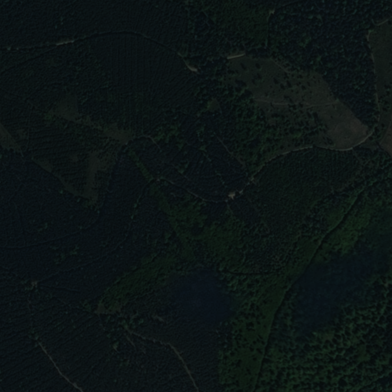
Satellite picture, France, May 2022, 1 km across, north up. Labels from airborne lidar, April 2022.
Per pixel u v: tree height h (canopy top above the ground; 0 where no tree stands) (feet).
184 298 69
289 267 32
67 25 65
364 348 38
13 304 72
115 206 69
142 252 67
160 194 42
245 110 46
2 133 0
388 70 0
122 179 65
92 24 50
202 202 49
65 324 58
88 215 65
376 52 0
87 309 36
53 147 23
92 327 69
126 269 61
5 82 24
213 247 40
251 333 30
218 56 32
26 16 57
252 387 45
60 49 32
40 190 59
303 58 82
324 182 34
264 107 0
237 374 30
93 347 68
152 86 51
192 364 75
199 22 88
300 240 27
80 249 73
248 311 32
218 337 60
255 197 26
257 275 29
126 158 67
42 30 63
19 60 28
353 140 0
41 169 68
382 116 0
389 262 88
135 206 30
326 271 95
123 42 49
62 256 47
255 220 49
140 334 79
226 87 22
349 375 102
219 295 81
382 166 50
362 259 93
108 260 70
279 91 0
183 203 55
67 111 0
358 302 104
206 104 63
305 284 33
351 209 79
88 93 28
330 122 0
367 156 49
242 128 43
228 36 35
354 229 95
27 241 72
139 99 38
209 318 78
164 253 44
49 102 23
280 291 34
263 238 31
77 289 70
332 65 90
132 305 20
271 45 42
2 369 78
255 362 39
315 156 32
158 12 55
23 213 68
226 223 39
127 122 41
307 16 83
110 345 68
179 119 58
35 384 61
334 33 82
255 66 0
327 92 0
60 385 71
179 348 71
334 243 61
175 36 56
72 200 71
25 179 57
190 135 52
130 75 56
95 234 67
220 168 50
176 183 70
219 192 65
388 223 88
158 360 84
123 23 56
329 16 82
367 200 81
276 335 32
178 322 80
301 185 34
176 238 52
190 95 48
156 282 25
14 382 75
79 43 35
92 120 31
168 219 43
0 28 60
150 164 72
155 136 54
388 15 91
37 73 29
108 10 55
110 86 39
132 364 75
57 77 22
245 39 40
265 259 33
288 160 24
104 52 51
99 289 53
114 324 56
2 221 78
